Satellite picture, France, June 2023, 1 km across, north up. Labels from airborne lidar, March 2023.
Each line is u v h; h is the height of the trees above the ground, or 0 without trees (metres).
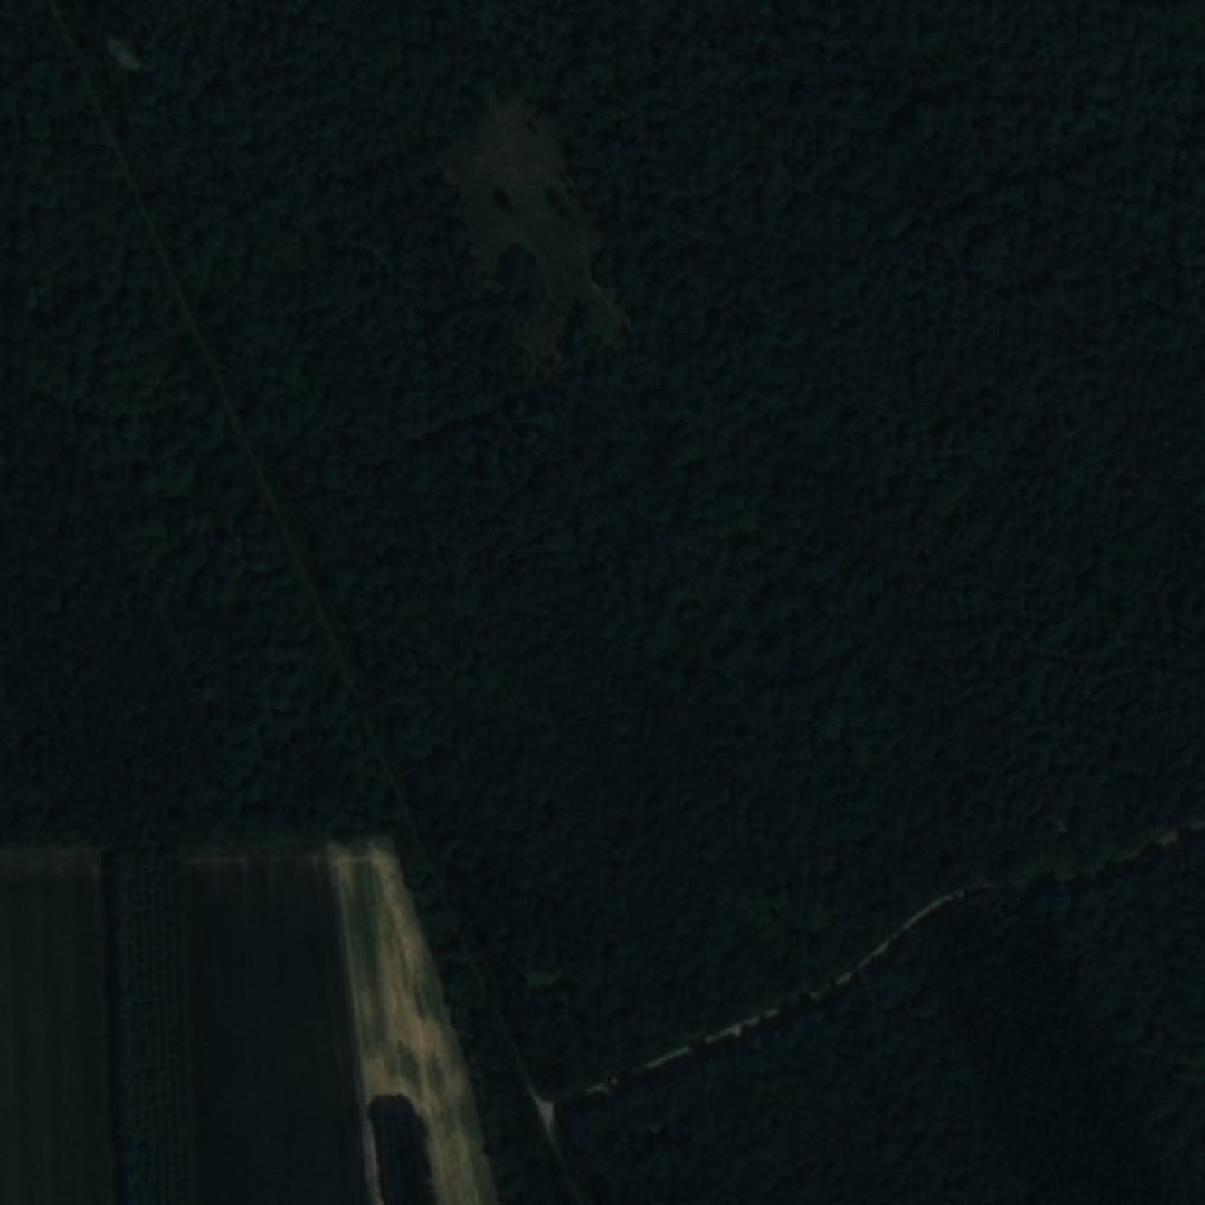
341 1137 0
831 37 26
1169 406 27
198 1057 0
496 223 0
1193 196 23
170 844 27
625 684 29
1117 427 20
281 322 18
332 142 23
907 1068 25
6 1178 0
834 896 23
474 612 23
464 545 19
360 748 21
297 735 25
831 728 18
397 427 16
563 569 25
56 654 34
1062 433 22
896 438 27
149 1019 26
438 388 22
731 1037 0
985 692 24
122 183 19
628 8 29
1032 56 19
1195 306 21
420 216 18
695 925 21
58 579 20
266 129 16
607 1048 23
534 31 23
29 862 0
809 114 26
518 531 24
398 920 0
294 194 21
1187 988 29
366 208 23
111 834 22
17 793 20
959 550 21
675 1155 23
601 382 20
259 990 0
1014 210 24
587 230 0
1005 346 20
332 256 24
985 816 26
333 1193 0
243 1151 0
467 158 0
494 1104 18
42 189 25
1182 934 23
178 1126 22
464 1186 0
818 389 21
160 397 22
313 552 21
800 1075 22
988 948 8
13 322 25
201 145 25
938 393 25
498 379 22
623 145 24
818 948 25
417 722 24
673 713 28
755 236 24
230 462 21
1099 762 22
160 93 18
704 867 27
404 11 26
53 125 19
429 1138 0
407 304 13
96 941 0
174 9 24
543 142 0
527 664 24
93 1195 0
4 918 0
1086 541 19
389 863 0
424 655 18
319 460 22
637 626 25
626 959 25
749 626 8
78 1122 0
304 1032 0
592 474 23
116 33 25
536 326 0
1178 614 27
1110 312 22
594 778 24
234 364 25
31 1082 0
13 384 39
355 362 23
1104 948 24
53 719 35
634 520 26
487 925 21
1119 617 25
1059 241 24
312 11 19
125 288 23
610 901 23
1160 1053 15
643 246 26
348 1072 0
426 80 19
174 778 24
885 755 20
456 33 25
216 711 24
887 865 23
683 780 24
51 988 0
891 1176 23
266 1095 0
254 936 0
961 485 18
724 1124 22
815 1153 23
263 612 16
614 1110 22
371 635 19
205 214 22
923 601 21
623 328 0
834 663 15
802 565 24
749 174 23
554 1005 21
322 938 0
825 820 22
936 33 21
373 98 23
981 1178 22
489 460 20
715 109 25
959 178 24
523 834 26
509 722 22
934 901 0
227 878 0
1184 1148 25
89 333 23
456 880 26
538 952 25
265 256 23
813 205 23
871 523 22
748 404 24
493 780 27
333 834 17
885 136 28
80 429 25
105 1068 0
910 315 26
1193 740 21
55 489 25
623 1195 26
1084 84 23
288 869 0
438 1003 0
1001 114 23
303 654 23
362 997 0
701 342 28
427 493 24
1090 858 22
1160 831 0
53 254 27
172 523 21
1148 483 25
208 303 21
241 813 23
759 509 23
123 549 28
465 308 24
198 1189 0
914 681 23
